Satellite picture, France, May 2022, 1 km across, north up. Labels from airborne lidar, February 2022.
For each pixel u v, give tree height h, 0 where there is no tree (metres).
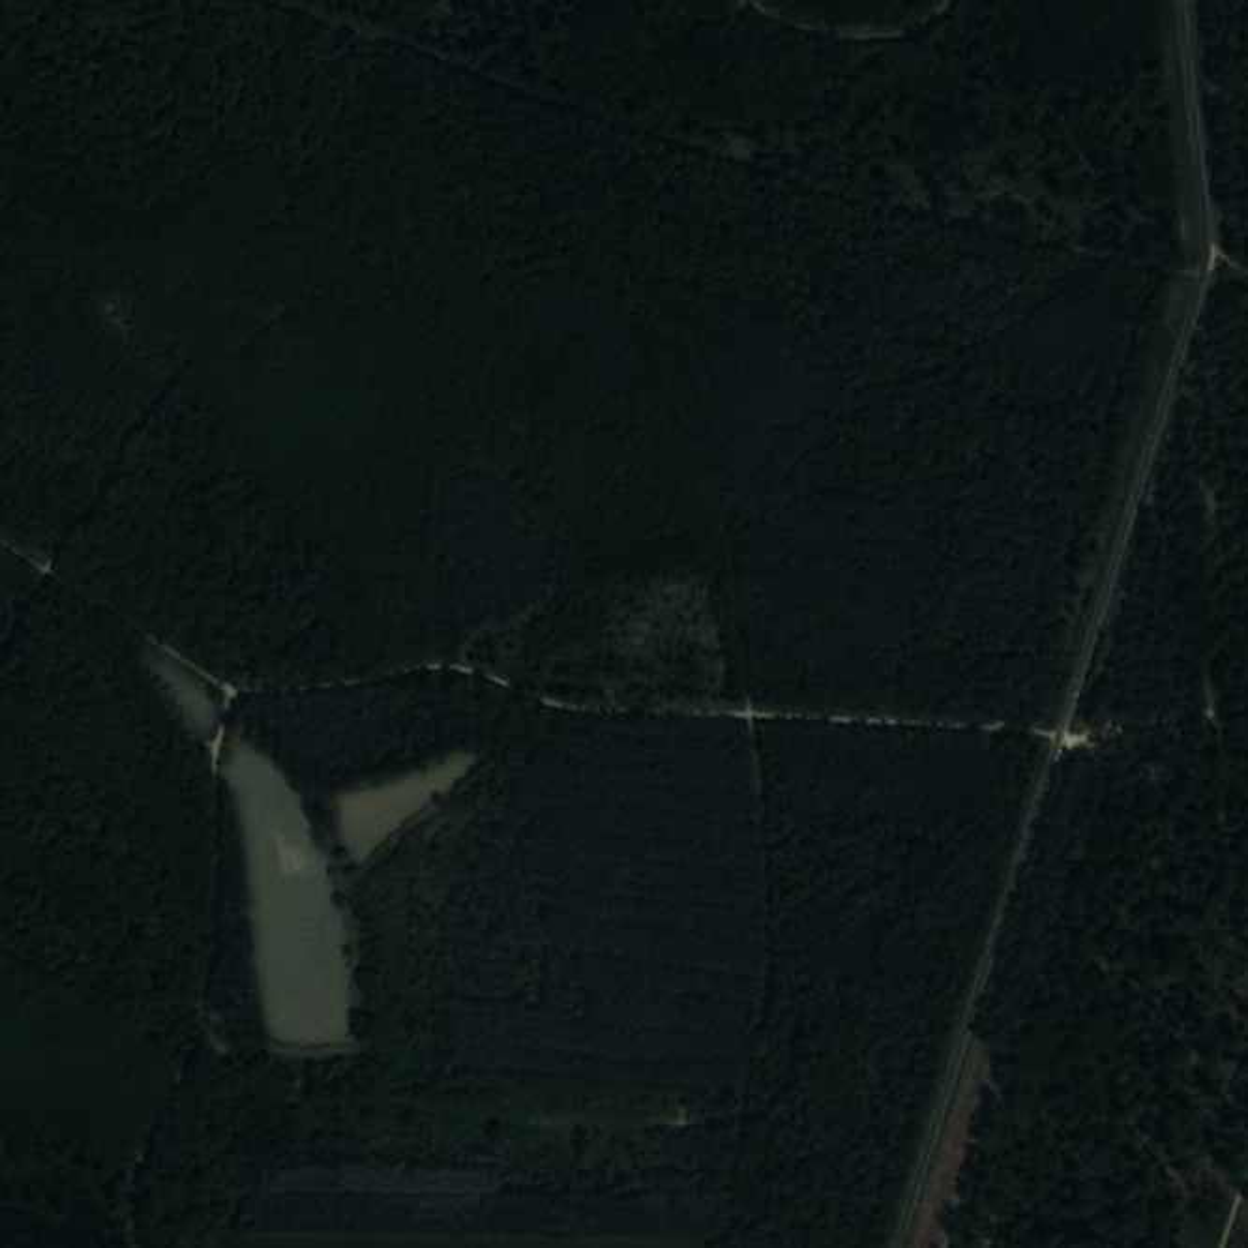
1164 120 19
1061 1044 33
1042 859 20
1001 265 25
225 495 21
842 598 14
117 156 23
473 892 11
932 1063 14
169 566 21
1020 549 23
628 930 16
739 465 14
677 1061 18
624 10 17
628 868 15
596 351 15
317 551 25
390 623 16
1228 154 27
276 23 20
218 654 18
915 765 15
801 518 18
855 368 20
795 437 16
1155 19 12
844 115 26
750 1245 22
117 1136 15
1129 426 19
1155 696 23
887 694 13
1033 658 24
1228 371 23
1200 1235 0
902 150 30
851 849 23
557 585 17
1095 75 11
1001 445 24
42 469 11
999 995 23
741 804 18
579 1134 13
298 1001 0
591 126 22
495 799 13
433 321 15
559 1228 17
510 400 15
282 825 0
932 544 15
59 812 27
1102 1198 35
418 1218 16
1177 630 26
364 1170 22
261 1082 22
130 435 17
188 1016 23
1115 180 15
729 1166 12
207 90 28
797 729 13
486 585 17
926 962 22
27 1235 13
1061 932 22
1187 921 31
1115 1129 36
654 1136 11
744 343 16
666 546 11
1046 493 24
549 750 16
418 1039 8
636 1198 19
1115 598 0
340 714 17
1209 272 0
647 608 0
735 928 17
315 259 13
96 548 22
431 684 20
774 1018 18
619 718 15
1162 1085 28
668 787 13
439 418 12
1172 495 16
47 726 28
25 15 25
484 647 11
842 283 23
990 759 15
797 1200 25
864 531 17
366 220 13
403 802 0
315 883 0
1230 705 22
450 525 17
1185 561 27
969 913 23
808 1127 23
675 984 17
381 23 23
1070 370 11
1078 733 0
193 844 25
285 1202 17
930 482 16
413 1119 13
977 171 0
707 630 0
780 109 12
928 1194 0
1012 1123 27
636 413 10
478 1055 16
